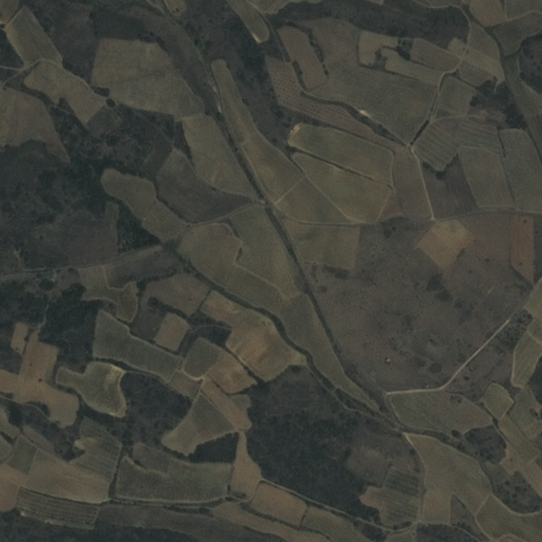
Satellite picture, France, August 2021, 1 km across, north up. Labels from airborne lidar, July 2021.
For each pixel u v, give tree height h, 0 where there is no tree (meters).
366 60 0
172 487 0
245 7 0
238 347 0
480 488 0
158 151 0
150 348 0
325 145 0
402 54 7
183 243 0
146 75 0
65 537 0
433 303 0
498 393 0
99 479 0
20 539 0
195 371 0
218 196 0
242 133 0
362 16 0
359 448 0
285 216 0
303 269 0
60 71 0
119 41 0
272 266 0
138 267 0
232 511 0
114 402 0
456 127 0
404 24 0
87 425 0
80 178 7
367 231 0
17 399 0
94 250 0
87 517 0
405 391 0
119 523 0
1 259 0
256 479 0
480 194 0
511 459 0
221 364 0
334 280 0
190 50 0
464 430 0
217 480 0
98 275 0
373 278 0
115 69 0
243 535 0
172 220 0
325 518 0
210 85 0
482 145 0
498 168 0
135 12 0
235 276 0
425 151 0
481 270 0
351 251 0
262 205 0
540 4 0
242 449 0
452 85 0
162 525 0
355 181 0
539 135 0
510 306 0
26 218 0
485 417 0
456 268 0
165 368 0
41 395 0
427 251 0
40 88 0
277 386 0
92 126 0
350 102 0
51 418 0
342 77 0
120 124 0
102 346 0
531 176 0
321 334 0
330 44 0
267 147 0
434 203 0
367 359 0
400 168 0
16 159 0
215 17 0
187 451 0
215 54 0
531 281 0
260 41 0
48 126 0
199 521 0
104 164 7
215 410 0
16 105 0
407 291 0
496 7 0
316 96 0
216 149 0
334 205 0
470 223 0
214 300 0
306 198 0
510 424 0
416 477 0
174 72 0
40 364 0
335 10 0
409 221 0
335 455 0
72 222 0
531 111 0
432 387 0
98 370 0
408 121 0
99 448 0
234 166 0
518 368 0
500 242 0
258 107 0
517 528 0
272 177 0
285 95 0
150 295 0
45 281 6
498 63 0
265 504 0
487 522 0
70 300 8
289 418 5
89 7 0
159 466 0
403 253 0
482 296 0
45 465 0
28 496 0
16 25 0
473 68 0
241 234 0
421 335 0
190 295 0
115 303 0
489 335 0
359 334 0
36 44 0
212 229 0
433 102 0
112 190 0
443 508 0
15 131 0
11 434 0
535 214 0
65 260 0
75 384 0
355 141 0
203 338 0
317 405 0
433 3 0
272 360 0
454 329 0
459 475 0
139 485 0
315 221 0
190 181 0
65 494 0
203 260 0
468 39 0
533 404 0
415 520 0
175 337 0
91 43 0
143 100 0
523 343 0
